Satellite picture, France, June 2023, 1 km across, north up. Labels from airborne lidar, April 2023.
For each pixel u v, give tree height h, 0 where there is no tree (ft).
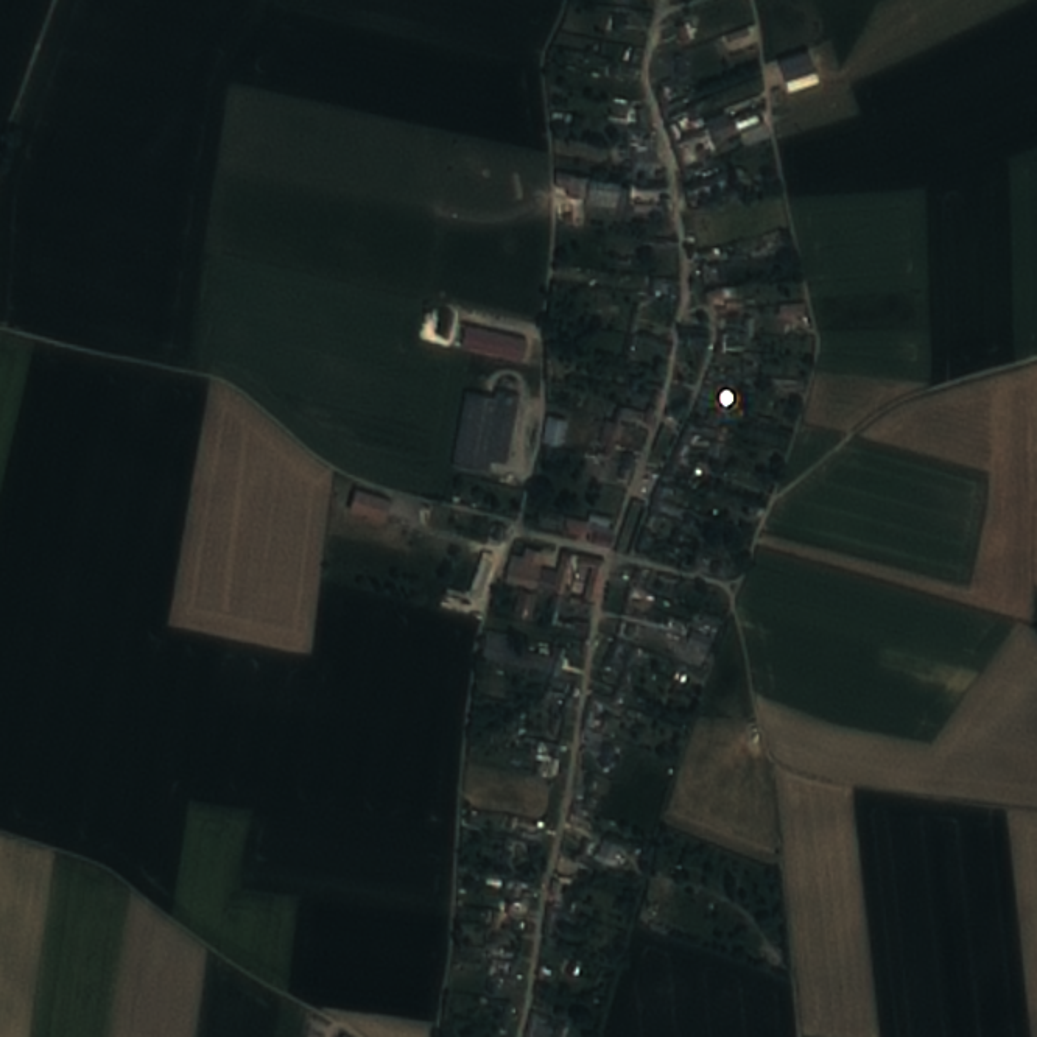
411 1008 0
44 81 0
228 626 0
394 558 0
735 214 0
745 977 0
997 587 0
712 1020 0
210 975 0
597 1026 26
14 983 0
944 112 0
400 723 0
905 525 0
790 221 0
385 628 0
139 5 0
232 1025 0
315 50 0
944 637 0
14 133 54
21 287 0
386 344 0
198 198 0
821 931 0
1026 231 0
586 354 55
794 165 0
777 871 37
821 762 0
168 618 0
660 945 0
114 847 0
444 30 0
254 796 0
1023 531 0
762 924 40
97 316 0
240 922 0
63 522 0
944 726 0
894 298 0
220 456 0
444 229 0
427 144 0
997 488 0
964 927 0
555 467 28
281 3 0
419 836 0
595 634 0
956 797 0
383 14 0
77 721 0
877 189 0
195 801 0
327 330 0
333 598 0
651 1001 0
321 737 0
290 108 0
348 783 0
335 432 0
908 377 0
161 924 0
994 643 0
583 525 0
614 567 0
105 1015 0
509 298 0
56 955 0
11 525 0
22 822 0
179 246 0
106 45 0
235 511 0
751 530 37
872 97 0
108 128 0
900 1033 0
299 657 0
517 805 0
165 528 0
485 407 0
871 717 0
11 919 0
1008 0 0
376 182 0
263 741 0
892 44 0
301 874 0
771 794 0
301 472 0
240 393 0
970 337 0
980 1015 0
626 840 19
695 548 39
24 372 0
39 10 0
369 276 0
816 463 0
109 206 0
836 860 0
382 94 0
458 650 0
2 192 0
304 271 0
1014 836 0
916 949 0
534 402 0
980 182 0
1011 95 0
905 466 0
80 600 0
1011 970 0
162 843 0
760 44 0
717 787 0
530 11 0
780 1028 0
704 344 27
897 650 0
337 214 0
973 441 0
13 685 0
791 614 0
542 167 0
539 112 0
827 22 0
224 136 0
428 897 0
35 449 0
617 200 0
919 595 0
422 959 0
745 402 38
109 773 0
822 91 0
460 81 0
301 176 0
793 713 0
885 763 0
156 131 0
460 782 0
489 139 0
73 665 0
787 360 17
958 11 0
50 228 0
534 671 33
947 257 0
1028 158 0
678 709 24
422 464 0
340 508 0
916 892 0
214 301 0
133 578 0
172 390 0
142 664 0
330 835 0
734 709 0
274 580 0
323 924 0
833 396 0
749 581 0
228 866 0
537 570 0
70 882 0
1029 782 0
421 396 0
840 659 0
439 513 0
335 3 0
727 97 0
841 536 0
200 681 0
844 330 0
